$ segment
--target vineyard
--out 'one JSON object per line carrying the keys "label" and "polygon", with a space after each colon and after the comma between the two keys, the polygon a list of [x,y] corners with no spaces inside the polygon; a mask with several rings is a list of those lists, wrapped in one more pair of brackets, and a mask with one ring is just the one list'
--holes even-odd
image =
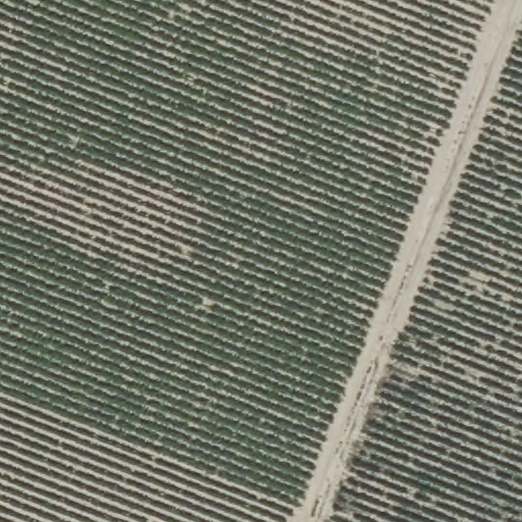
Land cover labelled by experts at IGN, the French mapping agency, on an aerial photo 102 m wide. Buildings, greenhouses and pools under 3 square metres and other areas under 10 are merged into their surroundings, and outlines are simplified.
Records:
{"label": "vineyard", "polygon": [[506,67],[502,69],[500,90],[491,98],[493,110],[489,110],[489,114],[483,118],[485,122],[479,133],[477,145],[469,155],[469,165],[465,167],[457,194],[453,196],[453,202],[449,206],[449,232],[436,239],[438,253],[434,253],[428,261],[430,265],[424,271],[422,285],[418,288],[418,296],[414,298],[410,308],[408,326],[404,326],[404,330],[398,334],[394,343],[385,367],[385,377],[379,381],[375,402],[371,402],[367,410],[367,418],[363,424],[365,440],[353,442],[353,455],[347,463],[349,477],[341,479],[332,502],[332,516],[326,522],[522,522],[522,31],[518,31],[518,39],[512,43],[510,57],[506,59]]}
{"label": "vineyard", "polygon": [[420,192],[426,186],[434,151],[440,145],[440,137],[449,128],[457,94],[463,86],[463,80],[467,77],[471,59],[475,55],[475,37],[481,31],[481,27],[467,22],[465,16],[485,20],[491,12],[493,0],[0,0],[0,522],[288,522],[294,510],[300,506],[300,500],[306,495],[308,481],[314,473],[314,463],[304,461],[304,457],[318,459],[322,442],[326,440],[326,430],[334,420],[338,402],[345,394],[347,379],[353,375],[355,363],[365,347],[369,322],[375,314],[375,308],[379,306],[383,288],[392,275],[392,265],[404,241],[410,214],[414,212]]}

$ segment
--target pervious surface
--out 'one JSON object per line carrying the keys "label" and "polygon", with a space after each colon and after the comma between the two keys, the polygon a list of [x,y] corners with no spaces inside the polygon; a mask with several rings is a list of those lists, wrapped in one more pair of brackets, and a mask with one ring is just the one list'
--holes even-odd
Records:
{"label": "pervious surface", "polygon": [[375,402],[379,381],[385,377],[385,367],[394,343],[398,334],[404,330],[404,326],[408,326],[410,308],[414,298],[418,296],[418,288],[422,285],[424,271],[430,265],[428,261],[434,253],[438,253],[436,239],[449,232],[449,206],[453,202],[453,196],[457,194],[465,167],[469,165],[469,155],[477,145],[479,133],[485,122],[483,118],[489,114],[489,110],[493,110],[491,98],[500,90],[502,69],[506,67],[506,59],[510,57],[512,43],[518,39],[518,31],[522,31],[522,0],[493,0],[491,12],[485,20],[465,16],[467,22],[481,27],[481,31],[475,37],[475,55],[471,59],[467,77],[463,80],[463,86],[457,94],[449,128],[440,137],[440,145],[434,151],[426,186],[420,192],[414,212],[410,214],[404,241],[392,265],[392,275],[383,288],[379,306],[375,308],[375,314],[369,322],[365,347],[355,363],[353,375],[347,379],[345,394],[338,402],[334,420],[326,430],[326,440],[322,442],[318,459],[304,457],[304,461],[314,463],[314,473],[308,481],[306,495],[300,500],[300,506],[294,510],[288,522],[326,522],[332,516],[332,502],[341,479],[349,477],[347,463],[353,455],[353,442],[365,440],[363,424],[367,418],[367,410],[371,402]]}

